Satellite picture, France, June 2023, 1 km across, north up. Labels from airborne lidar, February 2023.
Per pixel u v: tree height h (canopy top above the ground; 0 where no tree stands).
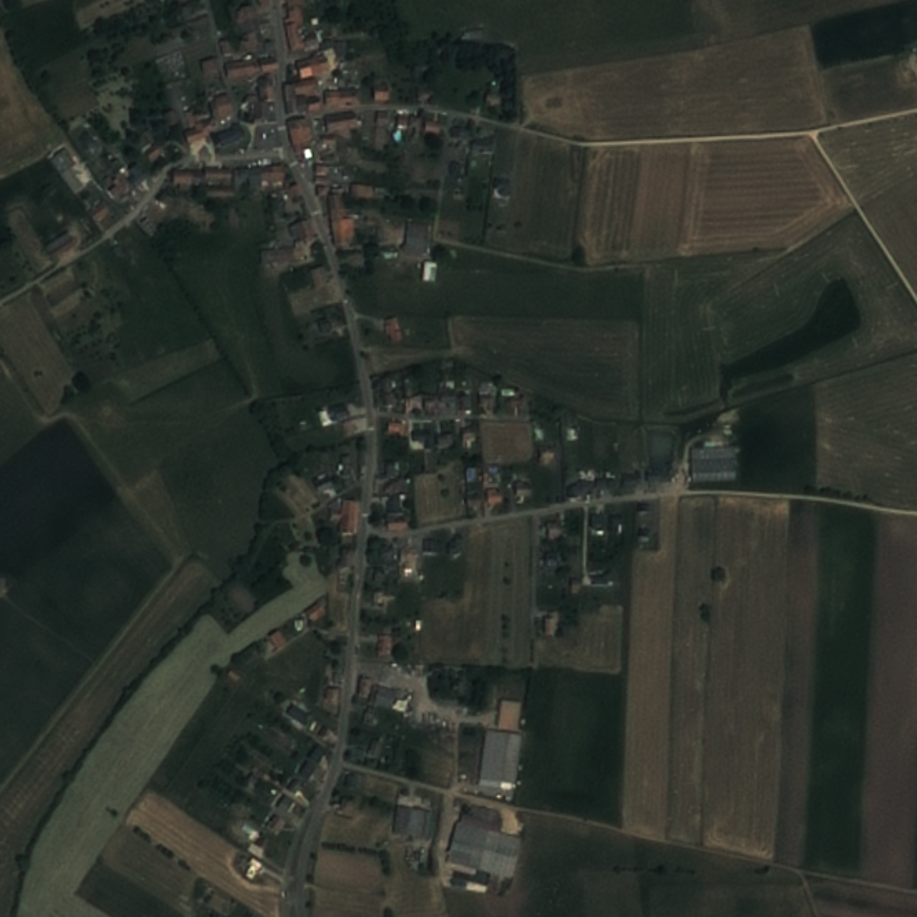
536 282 0
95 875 0
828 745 0
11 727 0
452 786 0
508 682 0
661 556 0
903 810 0
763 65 0
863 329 0
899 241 0
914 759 0
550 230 0
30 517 0
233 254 0
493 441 0
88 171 0
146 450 0
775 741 0
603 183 0
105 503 0
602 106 0
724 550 0
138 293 0
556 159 0
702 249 0
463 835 0
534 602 0
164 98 9
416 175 0
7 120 0
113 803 0
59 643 0
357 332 0
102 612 0
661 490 0
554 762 0
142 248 0
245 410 0
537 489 0
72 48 0
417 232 0
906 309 0
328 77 0
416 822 0
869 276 0
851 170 0
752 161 0
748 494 0
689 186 0
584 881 0
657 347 0
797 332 0
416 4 0
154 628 0
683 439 0
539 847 0
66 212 0
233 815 0
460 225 0
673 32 0
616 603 0
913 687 0
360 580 0
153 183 0
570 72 0
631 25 0
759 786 0
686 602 0
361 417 0
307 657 0
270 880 0
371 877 0
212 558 0
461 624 0
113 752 0
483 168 0
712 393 0
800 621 0
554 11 0
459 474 0
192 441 0
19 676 0
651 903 0
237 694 0
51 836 0
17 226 0
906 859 0
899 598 0
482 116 0
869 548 0
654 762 0
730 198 0
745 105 0
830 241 0
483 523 0
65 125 9
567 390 0
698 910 0
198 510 0
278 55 0
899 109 0
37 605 0
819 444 0
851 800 0
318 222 0
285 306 0
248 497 0
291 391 0
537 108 0
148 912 0
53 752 0
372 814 0
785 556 0
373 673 0
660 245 0
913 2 0
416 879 0
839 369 0
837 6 0
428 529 0
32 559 0
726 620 0
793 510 0
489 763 0
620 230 0
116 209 0
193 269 0
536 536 0
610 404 0
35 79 10
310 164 0
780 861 0
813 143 0
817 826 0
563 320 0
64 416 0
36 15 0
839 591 0
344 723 0
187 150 0
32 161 0
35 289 0
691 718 0
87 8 0
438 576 0
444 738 0
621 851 0
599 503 0
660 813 0
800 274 0
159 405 0
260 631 0
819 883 0
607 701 0
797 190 0
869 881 0
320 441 0
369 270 9
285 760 0
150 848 0
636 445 0
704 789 0
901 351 0
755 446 0
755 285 0
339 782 0
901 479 0
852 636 0
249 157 0
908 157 0
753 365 0
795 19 0
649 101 0
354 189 0
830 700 0
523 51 0
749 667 0
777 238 0
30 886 0
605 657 0
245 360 0
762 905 0
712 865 0
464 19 0
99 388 0
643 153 0
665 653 0
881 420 0
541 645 0
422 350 0
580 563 0
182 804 0
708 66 0
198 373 0
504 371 0
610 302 0
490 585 0
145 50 0
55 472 0
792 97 0
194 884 0
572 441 0
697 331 0
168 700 0
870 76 0
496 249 0
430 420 0
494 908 0
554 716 0
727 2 0
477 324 0
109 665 0
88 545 0
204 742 0
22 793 0
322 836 0
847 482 0
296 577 0
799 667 0
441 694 7
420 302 0
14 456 0
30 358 0
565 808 0
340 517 0
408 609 0
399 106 0
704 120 0
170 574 0
